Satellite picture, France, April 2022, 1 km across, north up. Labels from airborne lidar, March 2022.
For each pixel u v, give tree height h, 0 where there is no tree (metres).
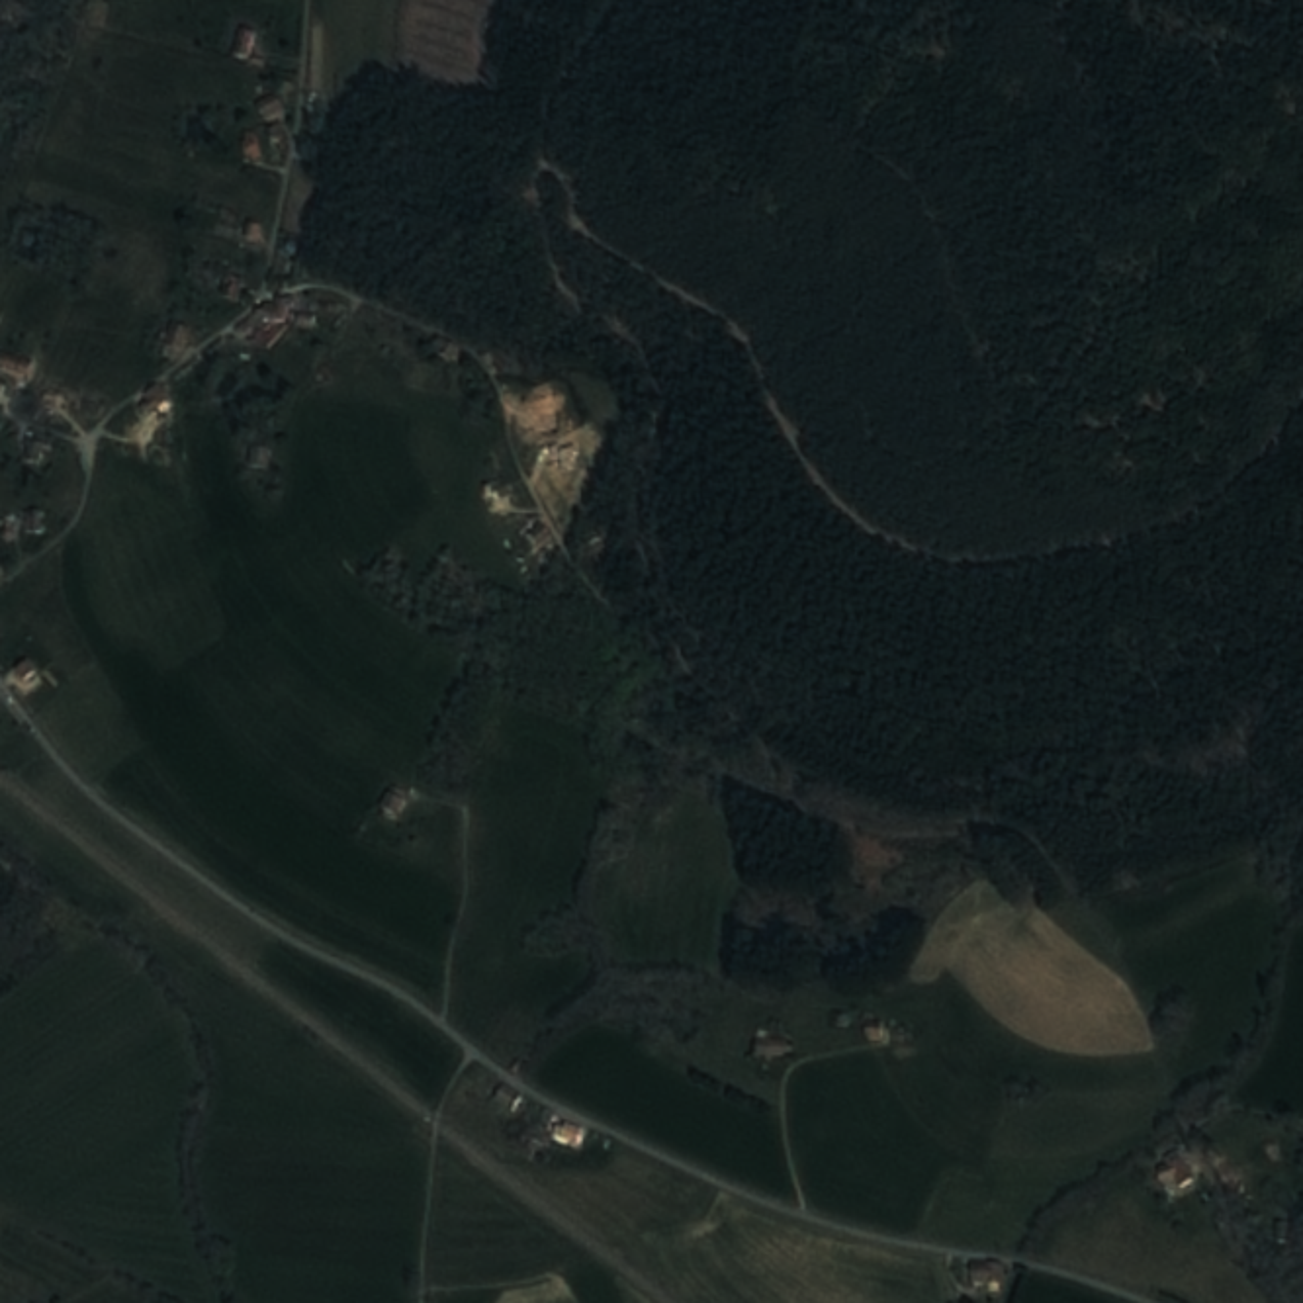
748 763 16
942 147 12
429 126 13
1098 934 0
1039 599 28
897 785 20
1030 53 16
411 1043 0
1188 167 19
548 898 0
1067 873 9
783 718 18
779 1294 0
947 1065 0
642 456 24
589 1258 0
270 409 22
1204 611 19
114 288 0
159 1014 0
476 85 0
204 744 0
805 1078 0
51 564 0
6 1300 0
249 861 0
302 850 0
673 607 15
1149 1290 0
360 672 0
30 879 18
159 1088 0
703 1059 0
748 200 13
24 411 15
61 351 0
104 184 0
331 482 0
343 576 0
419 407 0
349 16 0
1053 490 12
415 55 0
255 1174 0
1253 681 20
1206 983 0
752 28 19
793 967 33
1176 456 17
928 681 20
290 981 0
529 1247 0
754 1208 0
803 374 17
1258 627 22
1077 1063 0
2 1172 0
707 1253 0
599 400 0
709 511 22
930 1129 0
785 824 36
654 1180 0
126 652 0
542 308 20
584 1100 0
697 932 0
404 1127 0
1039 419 12
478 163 17
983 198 12
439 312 19
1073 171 16
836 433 15
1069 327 13
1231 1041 0
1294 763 28
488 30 0
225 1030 0
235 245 0
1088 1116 0
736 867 0
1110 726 23
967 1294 0
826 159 16
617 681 17
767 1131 0
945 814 21
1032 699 17
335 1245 0
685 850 0
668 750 18
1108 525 17
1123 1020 0
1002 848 34
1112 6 13
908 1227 0
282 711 0
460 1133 0
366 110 15
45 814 0
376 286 13
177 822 0
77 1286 0
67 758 0
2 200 0
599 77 14
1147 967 0
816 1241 0
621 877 0
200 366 0
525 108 16
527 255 20
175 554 0
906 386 12
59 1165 0
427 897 0
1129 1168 6
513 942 0
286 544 0
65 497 0
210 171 0
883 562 23
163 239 0
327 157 21
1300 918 13
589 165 15
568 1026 18
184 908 0
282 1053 0
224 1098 0
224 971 0
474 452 0
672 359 19
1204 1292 0
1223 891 0
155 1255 0
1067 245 13
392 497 0
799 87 20
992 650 21
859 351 15
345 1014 0
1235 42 9
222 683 0
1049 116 12
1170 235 16
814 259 14
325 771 0
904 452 11
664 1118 0
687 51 17
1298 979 0
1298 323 17
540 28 10
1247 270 16
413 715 0
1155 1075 0
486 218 24
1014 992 0
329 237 19
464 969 0
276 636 0
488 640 15
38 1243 0
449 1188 0
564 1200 0
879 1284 0
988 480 14
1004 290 12
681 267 16
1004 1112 0
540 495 0
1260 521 24
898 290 13
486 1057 0
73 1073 0
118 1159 0
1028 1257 13
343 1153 0
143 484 0
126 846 0
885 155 14
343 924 0
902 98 12
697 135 11
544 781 0
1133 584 31
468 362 12
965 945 0
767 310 16
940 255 12
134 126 0
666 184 17
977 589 22
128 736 0
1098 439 16
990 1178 0
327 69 0
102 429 0
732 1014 0
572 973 0
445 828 0
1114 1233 0
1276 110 14
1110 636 26
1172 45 8
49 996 0
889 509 11
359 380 0
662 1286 0
